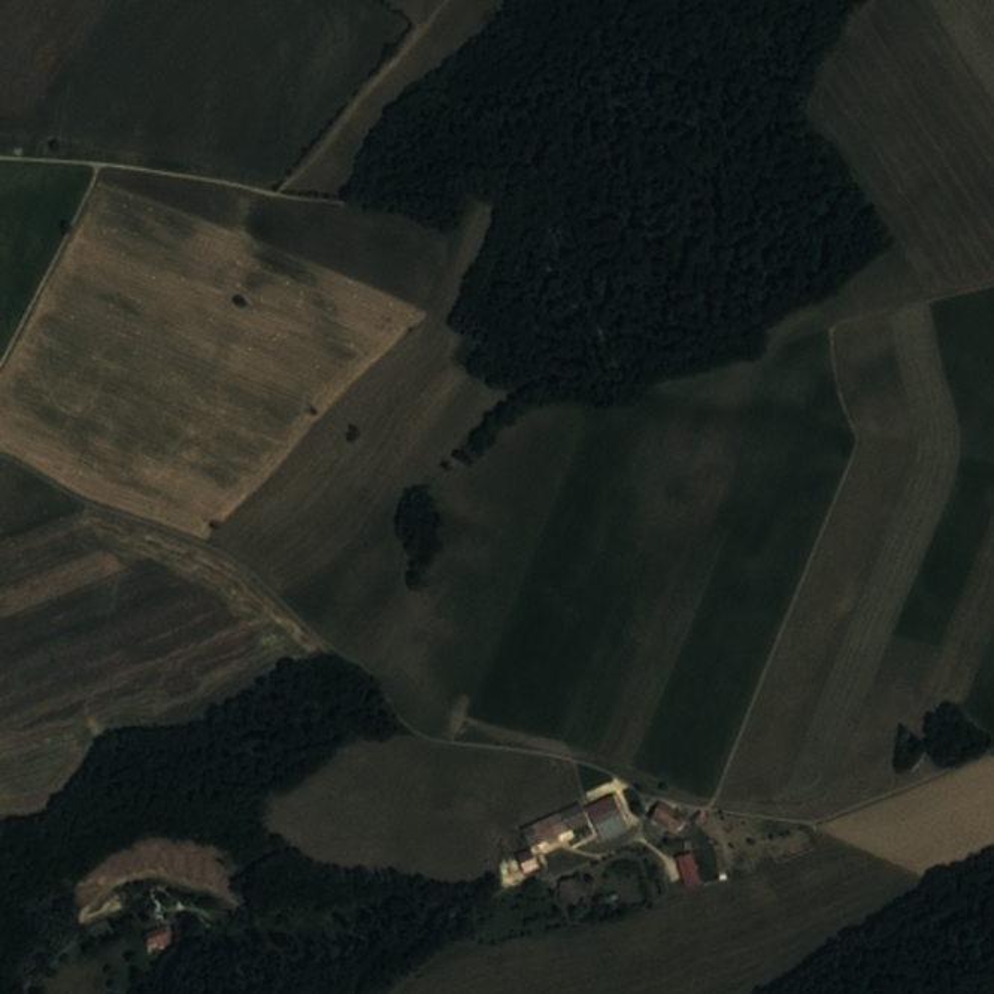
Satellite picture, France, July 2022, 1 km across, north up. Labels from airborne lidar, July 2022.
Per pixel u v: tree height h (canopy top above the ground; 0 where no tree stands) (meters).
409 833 0
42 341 0
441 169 11
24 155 0
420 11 0
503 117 21
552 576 0
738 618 0
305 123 0
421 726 0
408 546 13
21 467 0
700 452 0
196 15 0
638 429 0
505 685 0
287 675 17
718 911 0
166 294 0
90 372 0
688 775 0
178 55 0
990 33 0
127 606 0
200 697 0
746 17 19
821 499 0
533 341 23
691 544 0
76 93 0
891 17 0
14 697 0
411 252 0
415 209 15
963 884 24
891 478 0
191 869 0
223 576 0
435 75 8
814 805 0
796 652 0
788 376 0
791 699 0
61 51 0
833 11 14
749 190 22
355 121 0
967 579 0
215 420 0
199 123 0
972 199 0
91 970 0
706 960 0
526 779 0
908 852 0
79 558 0
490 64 22
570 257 27
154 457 0
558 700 0
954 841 0
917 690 0
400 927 18
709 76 21
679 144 22
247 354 0
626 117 25
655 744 0
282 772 18
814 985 20
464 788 0
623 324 25
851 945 21
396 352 0
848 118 0
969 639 0
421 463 0
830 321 0
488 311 17
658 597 0
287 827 0
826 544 0
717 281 25
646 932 0
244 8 0
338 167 0
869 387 0
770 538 0
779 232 21
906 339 0
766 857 0
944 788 0
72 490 0
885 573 0
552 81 23
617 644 0
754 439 0
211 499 0
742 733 0
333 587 0
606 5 28
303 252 0
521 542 0
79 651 0
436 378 0
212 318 0
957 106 0
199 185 0
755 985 0
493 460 0
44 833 14
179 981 24
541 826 0
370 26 0
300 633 0
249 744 21
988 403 0
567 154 19
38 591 0
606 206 25
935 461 0
